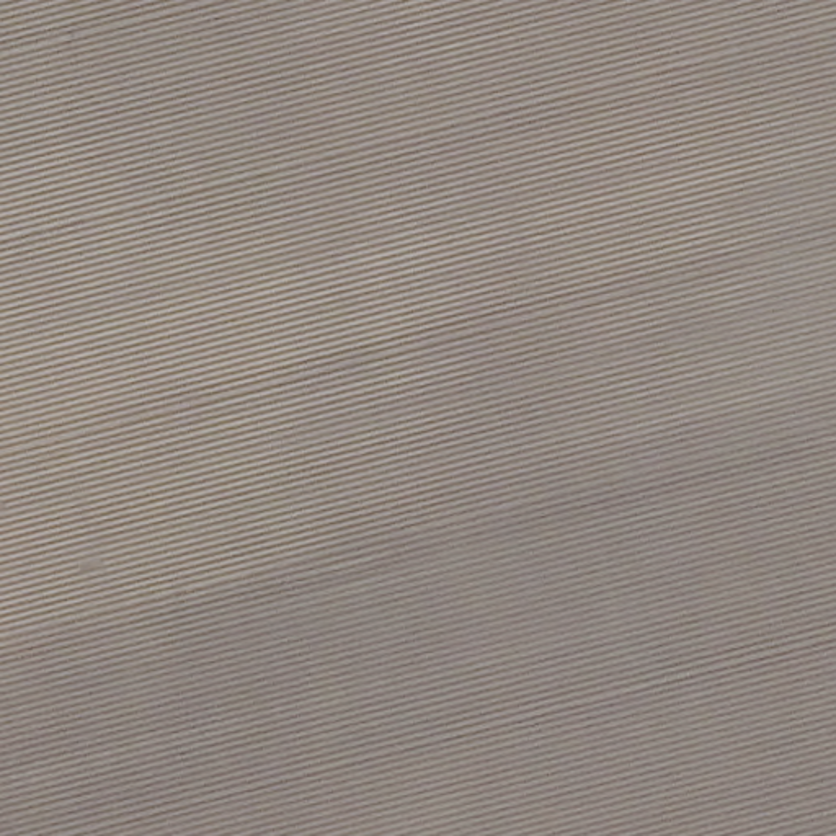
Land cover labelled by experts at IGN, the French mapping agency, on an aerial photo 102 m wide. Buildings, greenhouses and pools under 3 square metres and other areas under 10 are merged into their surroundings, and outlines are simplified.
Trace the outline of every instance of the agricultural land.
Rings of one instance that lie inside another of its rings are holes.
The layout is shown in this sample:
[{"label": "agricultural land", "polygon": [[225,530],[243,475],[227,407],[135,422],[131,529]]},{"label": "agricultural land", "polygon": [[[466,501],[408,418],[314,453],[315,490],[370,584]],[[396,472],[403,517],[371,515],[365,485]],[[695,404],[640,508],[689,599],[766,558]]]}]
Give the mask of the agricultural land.
[{"label": "agricultural land", "polygon": [[836,836],[836,0],[0,0],[0,836]]}]

